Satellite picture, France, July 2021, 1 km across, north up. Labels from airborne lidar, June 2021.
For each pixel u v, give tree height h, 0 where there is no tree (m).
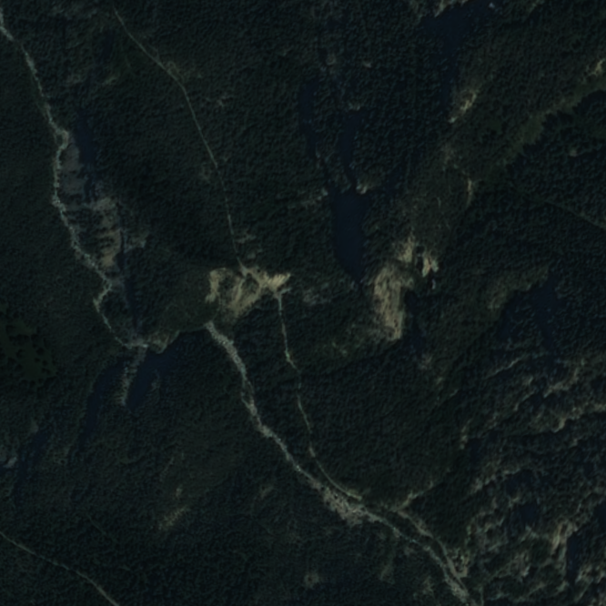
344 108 7
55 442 8
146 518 15
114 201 10
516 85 15
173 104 10
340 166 11
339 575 9
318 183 8
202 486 8
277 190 10
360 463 16
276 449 14
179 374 17
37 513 22
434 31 16
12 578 13
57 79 14
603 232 12
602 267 22
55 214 6
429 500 8
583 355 7
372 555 10
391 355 7
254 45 13
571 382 10
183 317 14
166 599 18
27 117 20
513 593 9
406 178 11
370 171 15
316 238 7
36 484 16
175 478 13
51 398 17
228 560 12
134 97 13
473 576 13
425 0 6
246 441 8
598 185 22
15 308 14
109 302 9
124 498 12
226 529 17
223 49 10
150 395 13
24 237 18
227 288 9
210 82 9
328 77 6
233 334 8
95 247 9
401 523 7
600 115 25
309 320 7
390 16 23
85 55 7
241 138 10
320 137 12
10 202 10
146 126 15
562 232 16
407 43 16
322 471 8
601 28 23
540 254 19
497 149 11
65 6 7
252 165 15
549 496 7
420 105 15
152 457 14
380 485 9
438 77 6
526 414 15
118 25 6
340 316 10
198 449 12
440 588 5
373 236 16
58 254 12
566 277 11
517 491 9
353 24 16
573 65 8
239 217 10
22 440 16
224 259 13
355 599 19
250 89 10
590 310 18
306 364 7
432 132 7
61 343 13
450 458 12
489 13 10
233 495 14
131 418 12
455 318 15
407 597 13
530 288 15
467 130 16
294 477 7
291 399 19
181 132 10
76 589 19
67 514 12
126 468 13
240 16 12
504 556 6
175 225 20
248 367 7
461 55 6
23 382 18
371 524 7
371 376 11
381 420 8
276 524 9
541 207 8
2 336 0
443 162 10
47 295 9
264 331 13
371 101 18
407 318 16
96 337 16
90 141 10
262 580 14
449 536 6
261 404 18
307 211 11
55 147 10
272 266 10
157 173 17
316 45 7
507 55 16
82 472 13
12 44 15
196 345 22
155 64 6
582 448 14
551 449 10
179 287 10
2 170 15
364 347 6
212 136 10
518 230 12
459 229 11
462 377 11
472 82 8
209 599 21
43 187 14
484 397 7
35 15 12
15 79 17
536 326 19
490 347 15
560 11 18
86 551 27
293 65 15
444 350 7
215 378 19
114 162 18
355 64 9
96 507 19
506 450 11
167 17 13
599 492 23
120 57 9
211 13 15
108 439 11
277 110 14
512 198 24
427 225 5
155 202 19
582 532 8
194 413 14
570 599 10
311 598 17
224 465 12
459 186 14
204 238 14
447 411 13
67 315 10
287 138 15
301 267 7
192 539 16
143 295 14
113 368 10
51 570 11
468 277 12
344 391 14
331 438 9
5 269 19
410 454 13
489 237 28
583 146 17
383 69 7
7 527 12
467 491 11
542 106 15
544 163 20
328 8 5
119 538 21
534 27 16
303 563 11
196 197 8
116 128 19
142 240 0
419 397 9
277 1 22
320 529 14
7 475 7
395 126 27
